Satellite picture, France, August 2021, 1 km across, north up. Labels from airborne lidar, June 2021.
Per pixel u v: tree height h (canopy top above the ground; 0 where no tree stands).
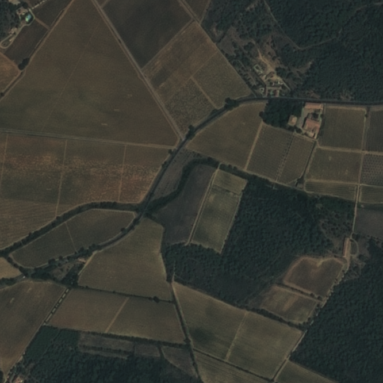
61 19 0
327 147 0
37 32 0
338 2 9
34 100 0
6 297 0
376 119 0
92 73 0
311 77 12
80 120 0
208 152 0
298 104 18
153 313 0
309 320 7
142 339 6
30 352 9
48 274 9
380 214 0
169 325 0
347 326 9
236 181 0
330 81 10
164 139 0
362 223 0
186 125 0
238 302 9
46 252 0
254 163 0
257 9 11
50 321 0
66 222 0
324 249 12
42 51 0
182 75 0
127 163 0
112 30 0
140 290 0
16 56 0
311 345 6
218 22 9
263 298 0
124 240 0
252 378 0
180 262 7
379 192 0
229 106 17
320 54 10
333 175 0
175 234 0
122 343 0
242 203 11
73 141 0
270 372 0
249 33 9
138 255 0
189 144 0
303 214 9
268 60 0
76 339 9
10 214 0
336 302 7
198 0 0
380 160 0
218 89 0
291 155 0
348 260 0
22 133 0
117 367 12
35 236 13
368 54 12
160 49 0
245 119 0
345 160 0
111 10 0
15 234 0
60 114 0
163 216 0
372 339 8
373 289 7
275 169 0
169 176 0
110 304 0
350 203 5
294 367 0
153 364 7
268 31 12
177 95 0
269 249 7
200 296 0
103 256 0
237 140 0
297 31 8
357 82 10
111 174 0
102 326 0
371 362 7
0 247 0
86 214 0
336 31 8
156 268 0
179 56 0
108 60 0
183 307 0
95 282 0
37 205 0
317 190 0
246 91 0
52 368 10
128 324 0
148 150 0
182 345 10
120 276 0
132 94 0
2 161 0
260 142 0
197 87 0
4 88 0
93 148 0
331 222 8
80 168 0
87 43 0
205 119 0
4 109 0
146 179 0
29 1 0
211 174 0
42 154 0
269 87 0
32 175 0
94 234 0
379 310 7
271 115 21
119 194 0
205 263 7
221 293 9
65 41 0
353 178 0
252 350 0
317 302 0
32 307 0
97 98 0
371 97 11
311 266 0
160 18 0
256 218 11
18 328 0
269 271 6
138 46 0
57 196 0
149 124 0
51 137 0
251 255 8
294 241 15
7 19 9
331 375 7
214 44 0
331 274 0
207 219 0
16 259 0
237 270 9
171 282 12
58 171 0
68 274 6
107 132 0
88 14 0
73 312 0
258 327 0
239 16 6
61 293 0
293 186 0
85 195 0
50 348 8
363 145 0
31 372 10
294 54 8
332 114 0
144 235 0
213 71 0
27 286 0
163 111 0
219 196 0
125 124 0
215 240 0
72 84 0
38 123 0
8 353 0
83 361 14
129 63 0
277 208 10
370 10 7
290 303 0
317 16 11
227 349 0
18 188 0
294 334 0
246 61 11
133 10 0
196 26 0
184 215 0
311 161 0
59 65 0
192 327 0
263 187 7
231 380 0
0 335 0
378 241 5
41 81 0
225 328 0
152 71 0
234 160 0
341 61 9
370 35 12
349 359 9
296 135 0
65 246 0
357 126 0
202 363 0
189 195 0
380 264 6
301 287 0
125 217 0
